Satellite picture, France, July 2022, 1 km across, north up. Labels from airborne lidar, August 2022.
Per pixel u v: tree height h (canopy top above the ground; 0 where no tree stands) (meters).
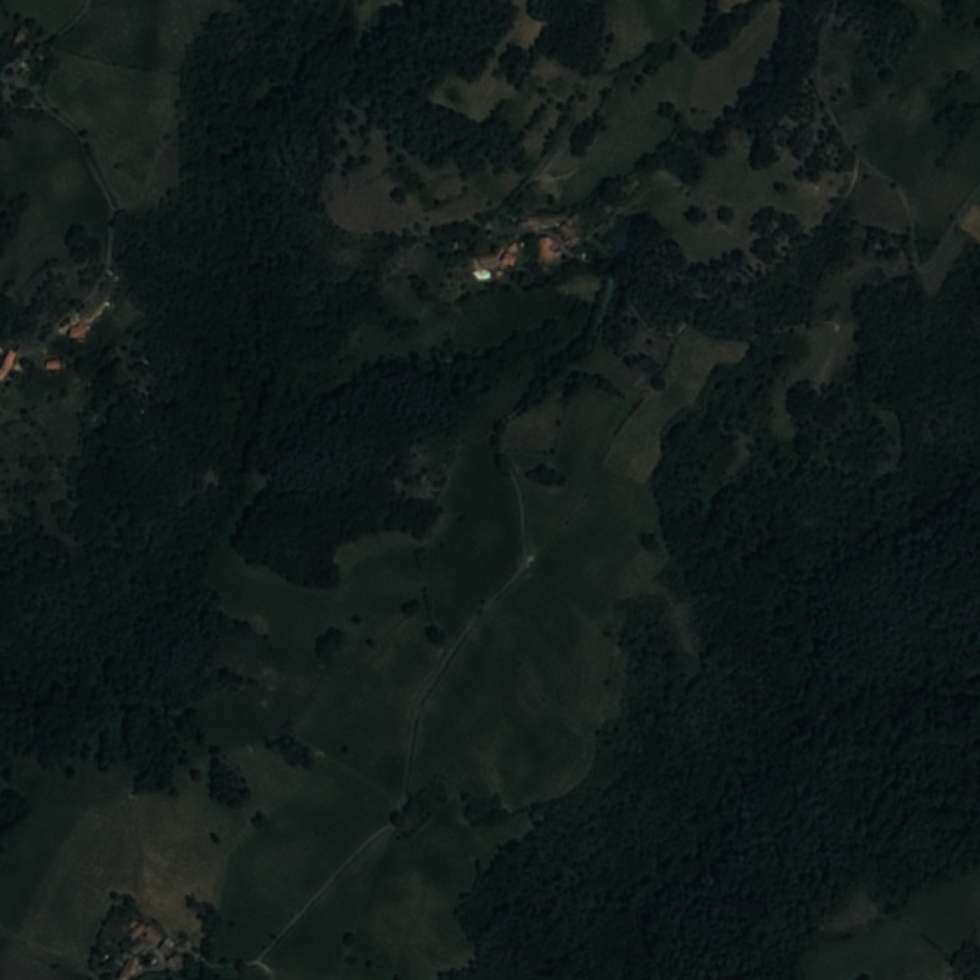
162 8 0
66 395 8
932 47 0
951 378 17
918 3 0
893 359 14
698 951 16
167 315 9
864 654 20
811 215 0
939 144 0
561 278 6
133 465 13
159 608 30
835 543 12
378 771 0
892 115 0
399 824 14
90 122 0
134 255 8
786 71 20
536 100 0
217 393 14
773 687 14
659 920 19
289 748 23
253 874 0
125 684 20
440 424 18
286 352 17
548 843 18
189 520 14
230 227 18
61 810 0
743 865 16
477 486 0
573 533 0
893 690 20
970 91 0
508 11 12
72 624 13
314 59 23
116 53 0
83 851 0
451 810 0
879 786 18
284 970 0
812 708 25
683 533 18
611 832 14
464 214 0
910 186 0
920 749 10
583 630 0
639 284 16
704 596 16
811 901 11
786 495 17
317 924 0
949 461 14
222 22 8
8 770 8
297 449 23
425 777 0
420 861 0
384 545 0
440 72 20
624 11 0
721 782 22
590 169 0
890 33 8
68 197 0
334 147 13
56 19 0
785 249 8
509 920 23
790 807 19
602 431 0
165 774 17
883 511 14
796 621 18
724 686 14
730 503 22
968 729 24
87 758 17
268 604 0
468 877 0
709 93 0
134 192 0
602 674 0
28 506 9
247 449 20
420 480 8
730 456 0
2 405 0
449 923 0
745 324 6
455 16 16
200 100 13
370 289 10
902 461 9
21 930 0
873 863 17
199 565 14
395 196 11
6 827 16
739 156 0
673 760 17
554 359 8
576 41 15
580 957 17
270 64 13
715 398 6
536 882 20
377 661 0
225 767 15
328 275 8
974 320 12
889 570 14
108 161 0
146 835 0
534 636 0
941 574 21
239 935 0
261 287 14
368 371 16
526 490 0
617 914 22
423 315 0
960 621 14
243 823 0
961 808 13
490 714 0
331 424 15
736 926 10
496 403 0
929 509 18
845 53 0
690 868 11
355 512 11
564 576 0
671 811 10
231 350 19
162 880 0
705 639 18
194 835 0
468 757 0
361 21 0
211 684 16
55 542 10
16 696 15
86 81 0
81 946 0
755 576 18
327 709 0
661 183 0
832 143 8
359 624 13
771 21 0
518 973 23
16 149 0
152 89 0
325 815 0
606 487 0
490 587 0
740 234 0
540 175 0
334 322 17
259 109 22
